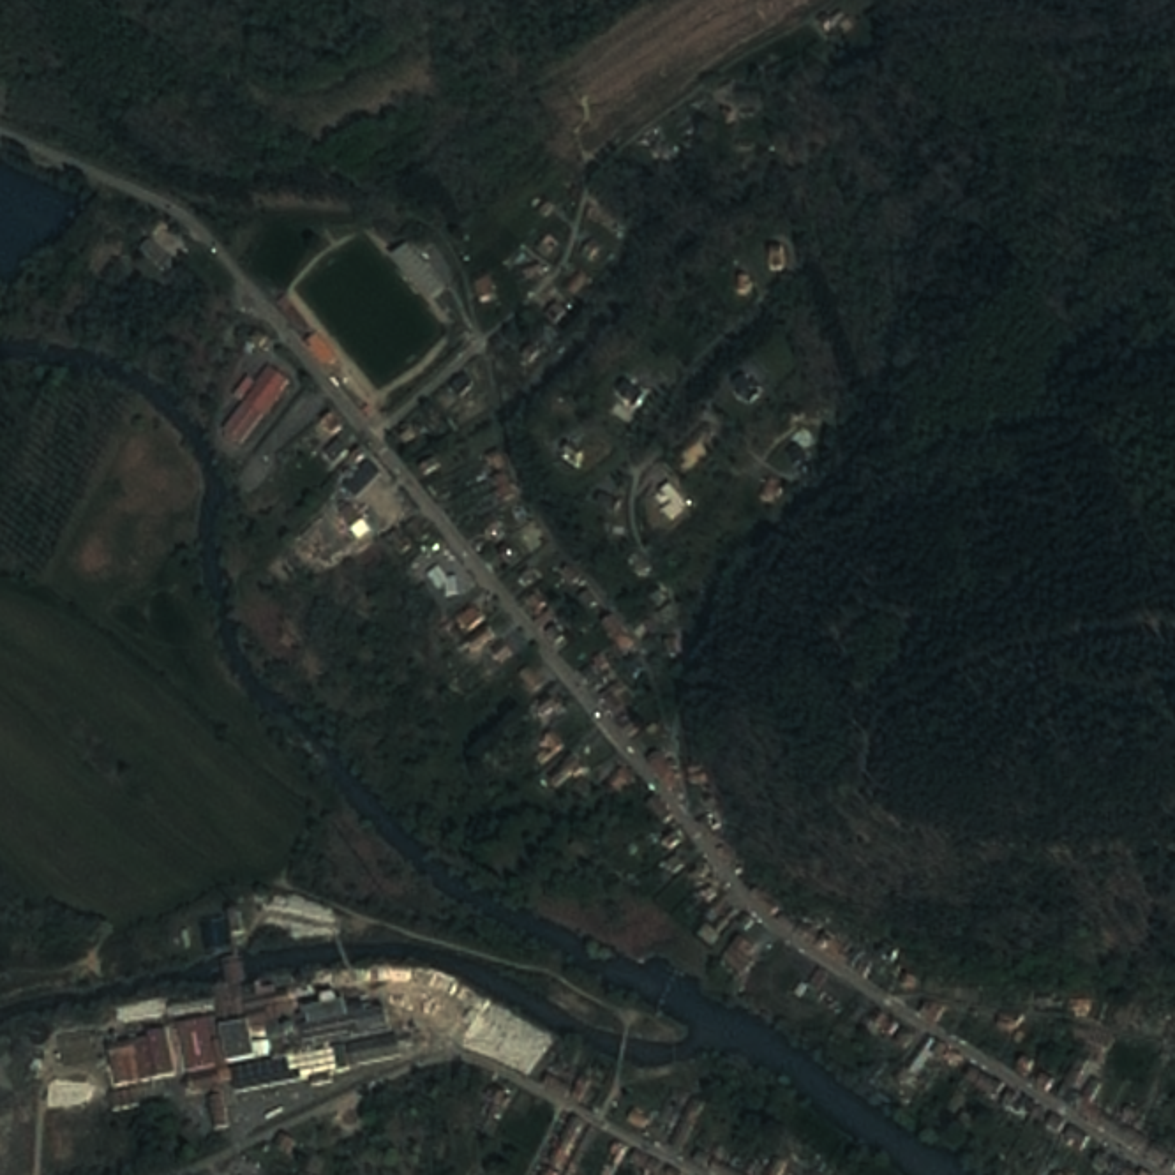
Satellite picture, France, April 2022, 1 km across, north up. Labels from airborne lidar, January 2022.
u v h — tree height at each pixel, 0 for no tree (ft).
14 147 43
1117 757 62
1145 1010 18
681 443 43
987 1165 22
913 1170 0
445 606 0
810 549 80
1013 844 56
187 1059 0
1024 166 53
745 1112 40
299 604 0
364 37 65
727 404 0
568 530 34
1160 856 65
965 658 79
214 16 67
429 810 46
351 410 0
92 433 0
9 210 0
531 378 0
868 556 74
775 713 61
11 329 31
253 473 0
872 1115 0
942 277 72
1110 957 52
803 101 64
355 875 0
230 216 0
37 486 0
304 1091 0
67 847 0
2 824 0
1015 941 51
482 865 42
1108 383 109
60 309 20
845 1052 0
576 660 0
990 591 70
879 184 71
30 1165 0
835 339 57
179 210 0
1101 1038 0
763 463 0
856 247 19
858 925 49
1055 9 41
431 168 59
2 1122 0
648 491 0
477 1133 0
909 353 91
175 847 0
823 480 39
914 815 53
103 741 0
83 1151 0
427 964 26
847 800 54
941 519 70
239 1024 0
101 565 0
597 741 0
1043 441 87
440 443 42
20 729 0
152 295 50
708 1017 0
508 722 68
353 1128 0
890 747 66
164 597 0
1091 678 82
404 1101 41
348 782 0
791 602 81
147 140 62
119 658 0
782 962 0
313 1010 0
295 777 0
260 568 0
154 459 0
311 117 0
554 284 0
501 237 0
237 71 78
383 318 0
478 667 0
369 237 0
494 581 0
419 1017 0
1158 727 84
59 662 0
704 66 0
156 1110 50
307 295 0
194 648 0
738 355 41
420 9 65
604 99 0
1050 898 45
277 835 0
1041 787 48
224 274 0
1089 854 63
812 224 44
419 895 0
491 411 0
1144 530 79
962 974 20
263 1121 0
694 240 43
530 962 35
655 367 0
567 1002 0
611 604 0
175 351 68
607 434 0
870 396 53
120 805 0
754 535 0
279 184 64
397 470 0
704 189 38
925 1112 26
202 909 0
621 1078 0
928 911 70
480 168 64
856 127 71
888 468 34
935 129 48
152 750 0
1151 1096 0
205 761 0
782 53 0
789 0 0
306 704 39
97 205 58
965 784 60
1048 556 66
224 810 0
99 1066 0
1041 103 54
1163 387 89
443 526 0
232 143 0
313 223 0
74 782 0
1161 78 45
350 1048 0
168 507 0
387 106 0
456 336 40
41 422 0
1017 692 54
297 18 18
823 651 71
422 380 27
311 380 43
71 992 58
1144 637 63
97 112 49
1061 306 61
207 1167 0
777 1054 0
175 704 0
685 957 0
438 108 77
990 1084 0
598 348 52
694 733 69
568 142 0
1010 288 44
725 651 86
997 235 53
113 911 0
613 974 0
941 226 66
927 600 63
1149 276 48
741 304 0
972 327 54
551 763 0
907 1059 0
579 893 51
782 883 61
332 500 0
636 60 0
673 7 0
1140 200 34
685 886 0
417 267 0
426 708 20
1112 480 77
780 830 49
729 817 51
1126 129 62
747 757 67
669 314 44
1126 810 54
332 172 68
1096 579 93
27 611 0
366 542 0
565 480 0
